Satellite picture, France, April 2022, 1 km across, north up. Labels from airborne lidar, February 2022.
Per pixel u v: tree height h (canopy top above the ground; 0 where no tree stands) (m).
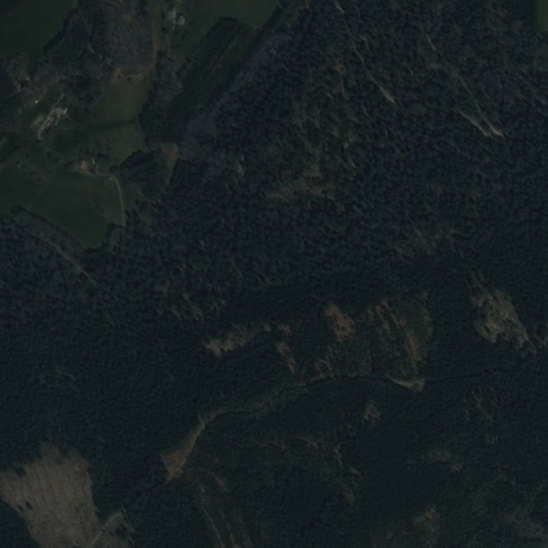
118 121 0
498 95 26
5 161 8
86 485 0
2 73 15
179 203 27
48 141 10
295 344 9
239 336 13
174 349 22
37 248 31
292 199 27
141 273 28
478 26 24
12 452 23
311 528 16
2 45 0
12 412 24
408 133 29
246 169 25
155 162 27
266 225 30
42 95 22
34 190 0
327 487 16
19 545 24
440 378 23
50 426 25
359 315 7
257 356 36
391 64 30
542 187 29
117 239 29
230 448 11
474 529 11
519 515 14
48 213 0
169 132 7
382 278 24
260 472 9
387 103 14
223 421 12
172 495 23
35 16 0
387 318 11
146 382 28
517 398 32
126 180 27
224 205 31
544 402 35
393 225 33
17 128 16
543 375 9
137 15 26
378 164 34
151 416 23
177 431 20
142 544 21
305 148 10
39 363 22
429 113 30
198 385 23
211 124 31
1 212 0
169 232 31
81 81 17
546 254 20
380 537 11
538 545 22
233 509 7
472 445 18
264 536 15
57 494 0
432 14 31
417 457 18
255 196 35
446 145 30
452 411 19
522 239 23
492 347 21
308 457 12
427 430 19
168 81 24
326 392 15
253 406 10
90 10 24
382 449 15
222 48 7
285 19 23
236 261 32
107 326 25
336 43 31
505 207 16
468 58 24
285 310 21
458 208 33
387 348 11
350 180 36
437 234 36
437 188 21
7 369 24
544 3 0
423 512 9
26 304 15
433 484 16
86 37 24
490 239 26
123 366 23
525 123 25
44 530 0
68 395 27
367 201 11
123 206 0
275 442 19
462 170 34
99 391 22
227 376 25
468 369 22
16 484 0
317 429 21
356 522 11
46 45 0
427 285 23
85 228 0
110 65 30
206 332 21
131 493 27
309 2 11
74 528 0
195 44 0
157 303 7
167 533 23
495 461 18
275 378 14
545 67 21
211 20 0
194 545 22
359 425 18
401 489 15
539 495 15
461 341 21
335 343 9
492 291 20
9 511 22
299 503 16
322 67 29
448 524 11
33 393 23
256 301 20
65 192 0
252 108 16
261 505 21
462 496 12
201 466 6
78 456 0
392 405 19
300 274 34
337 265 36
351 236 15
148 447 24
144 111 0
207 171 15
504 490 18
